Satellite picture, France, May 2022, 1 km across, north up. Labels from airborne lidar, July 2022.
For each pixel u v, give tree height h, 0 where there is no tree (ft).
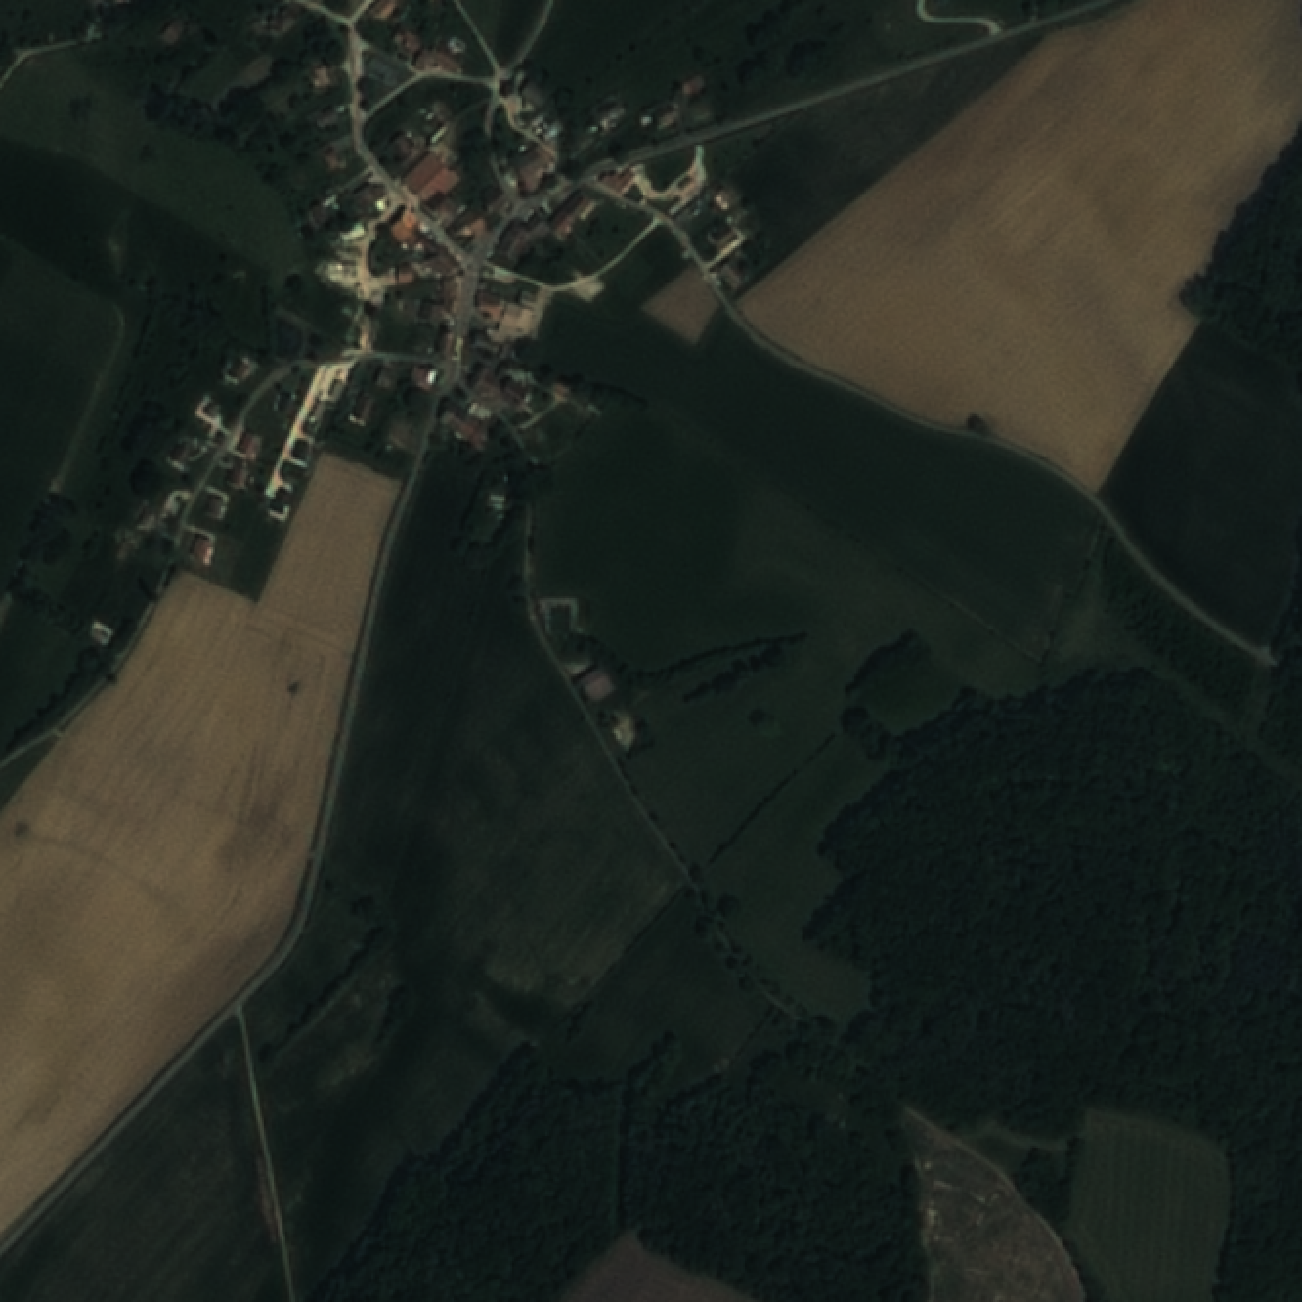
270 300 27
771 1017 18
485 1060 0
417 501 0
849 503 0
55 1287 0
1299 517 0
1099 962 66
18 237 0
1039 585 0
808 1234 62
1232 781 32
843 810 0
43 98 0
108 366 0
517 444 23
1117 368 0
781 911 0
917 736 18
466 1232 78
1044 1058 71
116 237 0
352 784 0
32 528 36
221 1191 0
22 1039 0
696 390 0
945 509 0
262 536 0
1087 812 65
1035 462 0
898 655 50
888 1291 70
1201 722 30
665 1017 0
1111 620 0
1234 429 0
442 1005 0
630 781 30
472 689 0
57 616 49
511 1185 74
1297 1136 43
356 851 0
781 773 0
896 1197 43
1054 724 66
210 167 0
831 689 0
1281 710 20
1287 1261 21
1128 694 73
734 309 0
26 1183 0
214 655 0
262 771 0
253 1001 0
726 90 33
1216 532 0
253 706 0
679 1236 60
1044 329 0
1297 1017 55
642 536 0
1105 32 0
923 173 0
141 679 0
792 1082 0
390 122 0
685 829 0
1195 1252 0
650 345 0
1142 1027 73
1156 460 0
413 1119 0
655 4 0
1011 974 43
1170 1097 71
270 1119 0
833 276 0
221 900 0
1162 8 0
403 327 0
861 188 0
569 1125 70
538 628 0
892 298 0
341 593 0
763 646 26
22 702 0
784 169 0
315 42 53
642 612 0
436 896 0
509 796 0
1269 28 0
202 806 0
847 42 0
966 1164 0
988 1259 0
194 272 0
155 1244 0
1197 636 25
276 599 0
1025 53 0
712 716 0
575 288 0
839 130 0
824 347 0
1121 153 0
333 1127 0
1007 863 38
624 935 0
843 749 0
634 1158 66
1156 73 0
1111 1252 0
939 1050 64
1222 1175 0
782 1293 47
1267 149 0
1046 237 0
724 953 31
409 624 0
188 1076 0
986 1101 42
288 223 0
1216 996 31
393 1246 67
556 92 47
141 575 0
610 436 0
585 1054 0
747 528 0
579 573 0
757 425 0
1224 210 0
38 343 0
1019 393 0
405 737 0
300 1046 0
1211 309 76
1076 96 0
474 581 0
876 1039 44
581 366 0
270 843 0
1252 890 56
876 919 69
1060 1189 33
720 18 0
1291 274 69
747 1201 83
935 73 0
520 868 0
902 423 0
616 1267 0
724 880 0
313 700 0
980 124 0
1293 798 39
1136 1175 0
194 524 0
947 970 53
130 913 0
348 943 0
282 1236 0
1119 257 0
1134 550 0
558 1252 27
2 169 0
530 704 0
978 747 80
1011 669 0
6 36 32
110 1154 0
